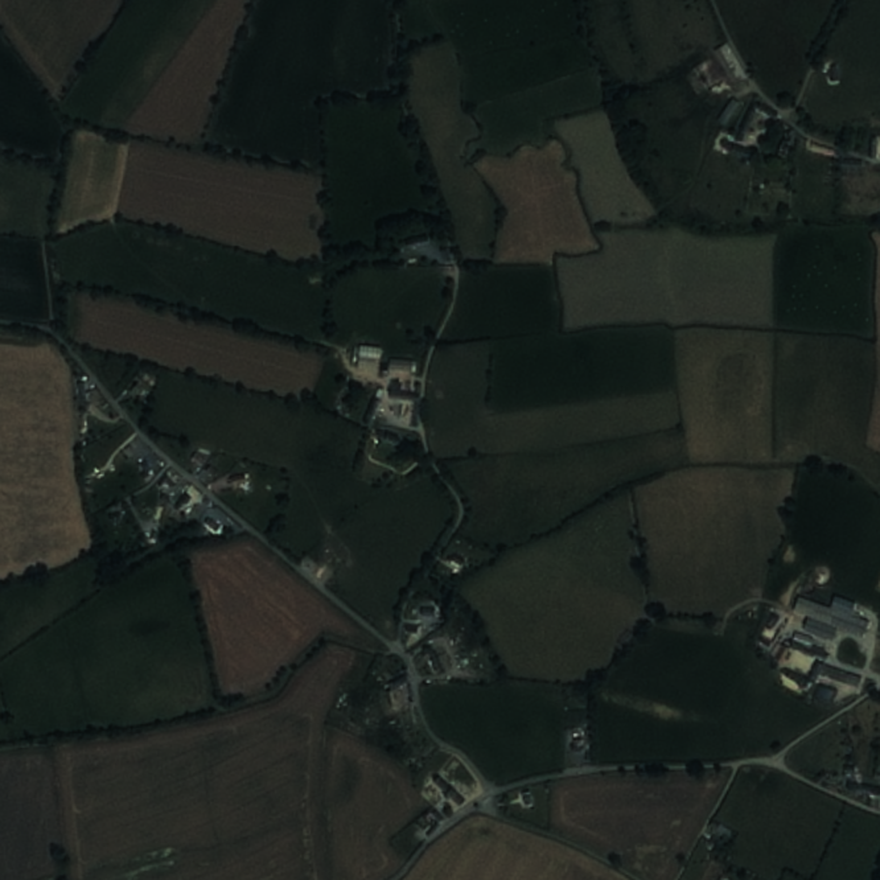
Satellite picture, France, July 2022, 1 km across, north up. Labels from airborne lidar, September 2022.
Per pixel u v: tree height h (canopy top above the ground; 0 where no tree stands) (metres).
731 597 0
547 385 0
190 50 0
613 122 11
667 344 0
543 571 0
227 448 0
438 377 0
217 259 0
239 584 0
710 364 0
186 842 0
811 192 0
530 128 0
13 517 0
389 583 0
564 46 0
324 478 0
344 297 0
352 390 16
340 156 0
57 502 0
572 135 0
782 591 0
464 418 0
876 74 0
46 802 0
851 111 0
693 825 0
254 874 0
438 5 0
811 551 0
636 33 0
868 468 0
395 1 20
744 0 0
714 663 0
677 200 0
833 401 0
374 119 0
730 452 0
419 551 0
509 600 0
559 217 0
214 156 14
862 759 0
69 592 0
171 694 0
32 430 0
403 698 0
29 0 0
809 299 0
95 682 0
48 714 0
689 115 0
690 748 0
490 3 0
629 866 0
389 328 0
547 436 0
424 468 6
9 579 11
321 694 0
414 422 0
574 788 0
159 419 0
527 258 0
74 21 0
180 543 12
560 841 0
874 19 0
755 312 0
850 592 0
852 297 0
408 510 0
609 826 0
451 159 0
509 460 0
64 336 7
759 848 0
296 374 0
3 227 0
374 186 0
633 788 0
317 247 0
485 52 0
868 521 0
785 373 0
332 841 0
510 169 0
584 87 0
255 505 0
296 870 0
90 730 12
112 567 24
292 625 0
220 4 0
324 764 0
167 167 0
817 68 14
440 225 15
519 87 0
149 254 0
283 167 7
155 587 0
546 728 0
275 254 14
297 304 0
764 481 0
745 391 0
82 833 0
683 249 0
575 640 0
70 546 0
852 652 0
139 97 0
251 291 0
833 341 0
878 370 0
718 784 0
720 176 0
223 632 0
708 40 0
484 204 0
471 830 0
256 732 0
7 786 0
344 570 0
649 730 0
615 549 0
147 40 0
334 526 0
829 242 0
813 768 0
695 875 0
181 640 0
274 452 0
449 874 0
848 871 0
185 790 0
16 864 0
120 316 0
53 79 0
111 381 0
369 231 0
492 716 0
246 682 0
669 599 0
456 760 0
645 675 0
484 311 0
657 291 0
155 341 0
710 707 0
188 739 0
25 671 0
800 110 8
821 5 0
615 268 0
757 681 0
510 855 0
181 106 0
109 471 0
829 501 0
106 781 0
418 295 0
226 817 0
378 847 0
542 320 0
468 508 10
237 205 0
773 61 0
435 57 0
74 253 0
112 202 0
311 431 0
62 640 0
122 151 0
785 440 0
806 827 0
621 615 0
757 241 0
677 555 0
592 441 0
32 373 0
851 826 0
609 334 0
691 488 0
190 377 15
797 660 0
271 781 0
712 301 0
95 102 0
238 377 0
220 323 10
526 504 0
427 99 0
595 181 0
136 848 0
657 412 0
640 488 0
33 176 0
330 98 6
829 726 0
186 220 0
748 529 0
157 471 0
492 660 10
